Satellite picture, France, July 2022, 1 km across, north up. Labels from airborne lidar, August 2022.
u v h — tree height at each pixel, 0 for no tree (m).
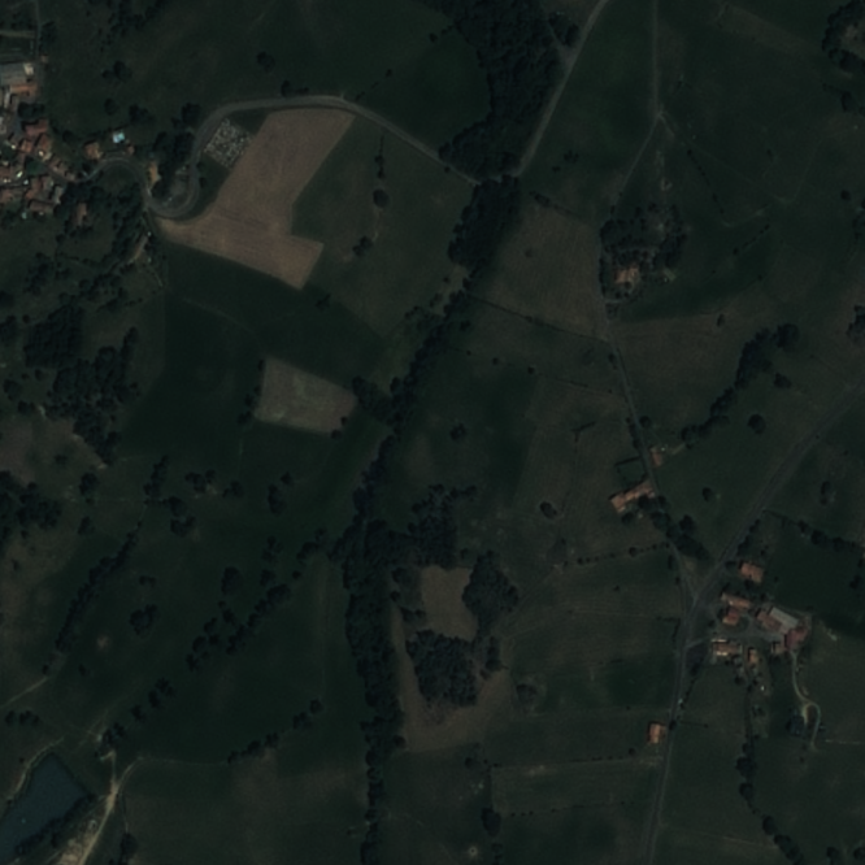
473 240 18
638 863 0
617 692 0
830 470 0
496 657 8
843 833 0
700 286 0
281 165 0
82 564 0
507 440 0
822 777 0
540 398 0
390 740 7
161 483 13
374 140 0
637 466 0
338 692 0
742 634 0
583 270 0
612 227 16
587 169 0
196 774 0
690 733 0
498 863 7
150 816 0
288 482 18
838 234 0
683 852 0
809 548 0
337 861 0
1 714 0
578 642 0
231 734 0
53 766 0
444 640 17
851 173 0
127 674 0
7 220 8
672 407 0
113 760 0
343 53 0
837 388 0
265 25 0
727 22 0
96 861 0
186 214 0
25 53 0
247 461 0
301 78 0
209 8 0
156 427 0
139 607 0
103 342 0
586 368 0
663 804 0
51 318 11
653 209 10
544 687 0
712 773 0
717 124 0
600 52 0
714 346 0
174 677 0
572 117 0
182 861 0
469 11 24
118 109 9
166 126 0
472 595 11
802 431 0
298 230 0
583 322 0
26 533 13
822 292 0
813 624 0
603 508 0
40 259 10
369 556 18
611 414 0
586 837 0
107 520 0
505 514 0
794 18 0
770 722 0
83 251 0
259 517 0
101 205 15
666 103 0
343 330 0
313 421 0
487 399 0
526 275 0
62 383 18
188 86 0
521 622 0
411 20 0
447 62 0
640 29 0
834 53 15
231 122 0
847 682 0
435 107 0
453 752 0
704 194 0
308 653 0
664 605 0
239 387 0
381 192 13
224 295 0
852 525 0
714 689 0
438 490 12
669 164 0
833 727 0
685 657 0
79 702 0
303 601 0
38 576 0
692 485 0
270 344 0
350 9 0
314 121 0
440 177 0
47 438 0
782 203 0
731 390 11
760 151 0
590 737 0
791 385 11
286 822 0
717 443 0
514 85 26
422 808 0
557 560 0
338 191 0
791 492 0
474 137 21
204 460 0
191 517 15
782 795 0
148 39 0
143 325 0
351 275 0
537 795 0
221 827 0
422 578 0
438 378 0
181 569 0
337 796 0
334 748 0
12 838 0
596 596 0
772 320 0
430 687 13
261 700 0
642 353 0
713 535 0
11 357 0
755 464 0
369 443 0
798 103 0
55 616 0
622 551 0
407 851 0
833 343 0
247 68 0
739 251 8
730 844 0
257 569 0
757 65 0
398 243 0
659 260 10
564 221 0
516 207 16
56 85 0
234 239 0
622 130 0
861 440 0
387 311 0
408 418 11
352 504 0
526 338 0
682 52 0
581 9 0
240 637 15
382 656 7
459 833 0
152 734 0
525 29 9
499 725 0
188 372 0
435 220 0
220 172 0
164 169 14
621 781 0
